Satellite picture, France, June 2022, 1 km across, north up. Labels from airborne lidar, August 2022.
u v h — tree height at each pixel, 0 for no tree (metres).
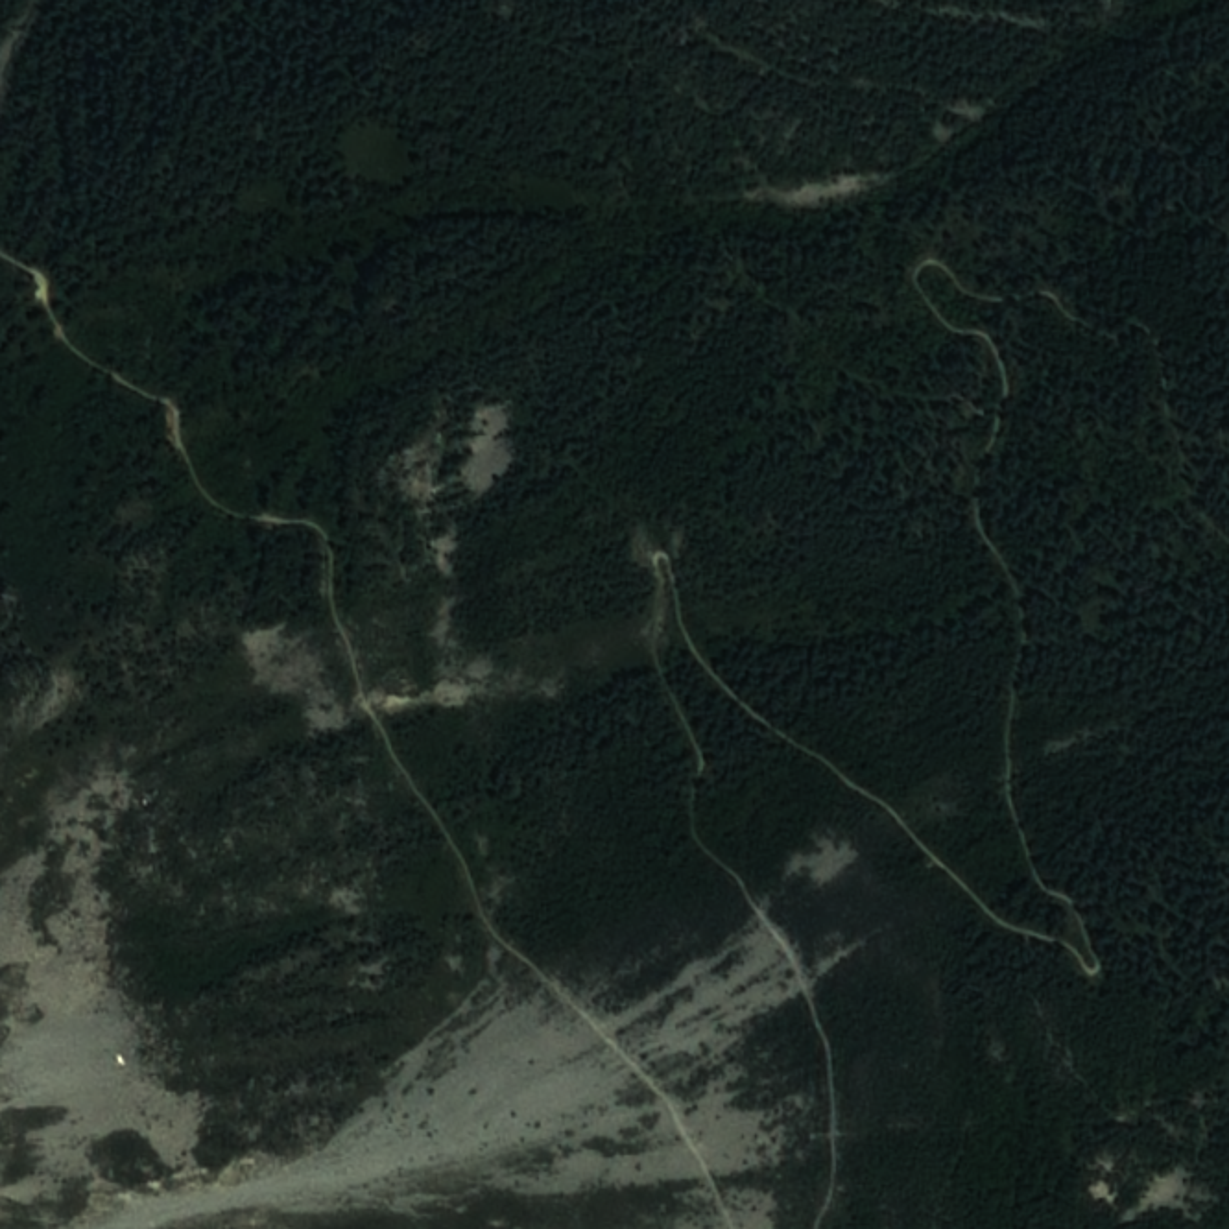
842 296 9
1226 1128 11
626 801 14
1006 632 10
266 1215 0
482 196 7
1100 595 27
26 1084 0
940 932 6
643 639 0
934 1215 6
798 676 23
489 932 0
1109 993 16
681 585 12
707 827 8
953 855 6
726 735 23
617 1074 0
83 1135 0
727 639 10
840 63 19
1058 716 9
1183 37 11
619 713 23
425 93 24
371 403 15
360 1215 0
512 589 9
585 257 8
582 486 8
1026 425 13
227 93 22
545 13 11
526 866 7
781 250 15
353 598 9
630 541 10
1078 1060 7
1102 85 19
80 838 0
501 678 0
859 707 15
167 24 7
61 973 0
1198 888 26
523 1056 0
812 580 11
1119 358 15
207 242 9
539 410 19
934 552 11
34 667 9
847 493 27
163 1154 0
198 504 7
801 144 15
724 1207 0
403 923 14
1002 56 24
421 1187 0
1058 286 22
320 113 17
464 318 11
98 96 21
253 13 29
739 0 7
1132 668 25
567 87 25
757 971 0
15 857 0
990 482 26
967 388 24
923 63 24
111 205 17
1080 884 21
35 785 0
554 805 8
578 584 12
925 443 20
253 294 16
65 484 5
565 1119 0
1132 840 24
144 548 7
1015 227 24
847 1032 6
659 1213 0
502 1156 0
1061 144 22
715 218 8
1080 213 11
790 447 22
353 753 9
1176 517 21
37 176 22
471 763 8
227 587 15
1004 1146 11
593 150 17
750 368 14
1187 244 13
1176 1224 11
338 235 7
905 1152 10
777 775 7
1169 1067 9
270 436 9
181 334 7
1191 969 28
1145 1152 12
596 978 0
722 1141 0
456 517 11
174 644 11
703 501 7
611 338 23
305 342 26
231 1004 9
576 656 0
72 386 6
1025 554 11
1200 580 7
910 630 12
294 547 21
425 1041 0
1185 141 24
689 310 10
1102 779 13
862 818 6
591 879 8
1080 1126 6
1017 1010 9
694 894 7
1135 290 15
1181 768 26
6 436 15
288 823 6
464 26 13
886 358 8
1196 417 26
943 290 10
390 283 23
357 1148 0
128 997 0
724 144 15
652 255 9
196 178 20
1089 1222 11
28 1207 0
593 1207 0
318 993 6
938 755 10
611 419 11
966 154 15
